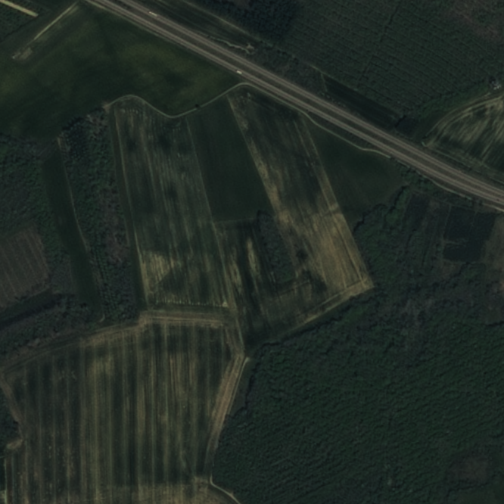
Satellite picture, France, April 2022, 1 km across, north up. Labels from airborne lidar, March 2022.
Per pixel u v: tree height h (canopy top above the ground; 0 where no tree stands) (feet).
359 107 0
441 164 0
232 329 0
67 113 0
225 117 0
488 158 0
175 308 0
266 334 0
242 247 0
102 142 51
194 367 0
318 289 0
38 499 0
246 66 0
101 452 0
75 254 0
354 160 0
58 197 0
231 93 0
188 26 0
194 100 0
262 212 0
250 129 0
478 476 0
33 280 0
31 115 0
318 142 0
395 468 42
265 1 64
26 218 42
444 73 46
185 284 0
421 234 27
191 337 0
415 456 42
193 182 0
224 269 0
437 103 39
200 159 0
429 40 46
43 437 0
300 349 50
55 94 0
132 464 0
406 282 64
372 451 38
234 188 0
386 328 44
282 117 0
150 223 0
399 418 37
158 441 0
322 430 41
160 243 0
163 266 0
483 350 40
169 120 0
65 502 0
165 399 0
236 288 0
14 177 40
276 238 71
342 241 0
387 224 30
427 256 28
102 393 0
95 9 0
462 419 40
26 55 0
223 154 0
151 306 0
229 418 40
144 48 0
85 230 27
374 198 0
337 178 0
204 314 0
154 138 0
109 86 0
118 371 0
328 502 54
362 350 77
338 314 0
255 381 36
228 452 41
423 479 39
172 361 0
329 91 0
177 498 0
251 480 49
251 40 0
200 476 0
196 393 0
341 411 40
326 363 75
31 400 0
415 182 44
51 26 0
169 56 0
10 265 0
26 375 0
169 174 0
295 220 0
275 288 0
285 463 45
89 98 0
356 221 0
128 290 70
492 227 18
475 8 57
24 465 0
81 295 0
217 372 0
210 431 0
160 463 0
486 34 49
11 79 0
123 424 0
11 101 0
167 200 0
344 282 0
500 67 49
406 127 46
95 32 0
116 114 0
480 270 23
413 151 0
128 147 0
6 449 0
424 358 57
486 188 0
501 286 36
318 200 0
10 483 0
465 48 48
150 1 0
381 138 0
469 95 53
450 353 51
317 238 0
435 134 0
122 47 0
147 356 0
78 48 0
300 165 0
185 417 0
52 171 0
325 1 51
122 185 0
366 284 0
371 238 64
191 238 0
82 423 0
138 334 0
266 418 47
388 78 44
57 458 0
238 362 0
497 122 0
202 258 0
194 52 0
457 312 72
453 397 39
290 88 0
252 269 0
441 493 54
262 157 0
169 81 0
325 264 0
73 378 0
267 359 55
